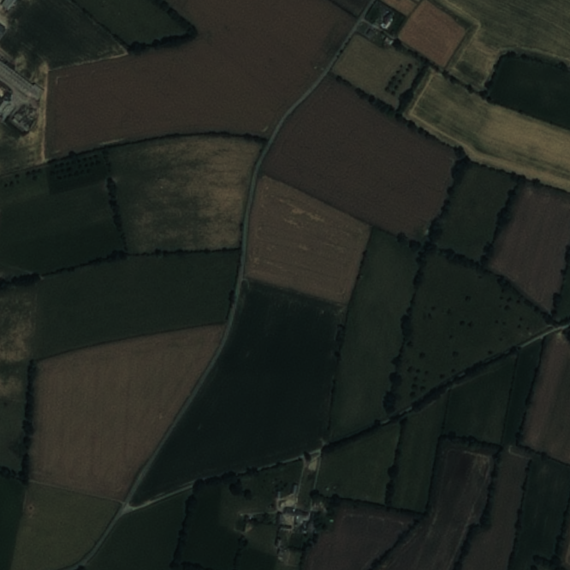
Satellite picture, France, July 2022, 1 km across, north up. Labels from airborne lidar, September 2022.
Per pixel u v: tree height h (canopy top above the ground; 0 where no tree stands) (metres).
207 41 0
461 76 0
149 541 0
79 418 0
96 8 0
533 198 0
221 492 0
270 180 0
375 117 0
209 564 0
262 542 0
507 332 0
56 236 0
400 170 0
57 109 0
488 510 10
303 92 0
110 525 0
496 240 6
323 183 0
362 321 0
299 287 0
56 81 0
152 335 0
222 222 0
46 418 0
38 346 0
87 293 0
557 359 0
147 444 0
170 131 0
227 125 0
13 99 0
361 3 0
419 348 0
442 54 0
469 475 0
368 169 0
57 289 0
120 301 0
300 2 0
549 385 0
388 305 0
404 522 0
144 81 0
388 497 12
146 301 0
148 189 0
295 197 0
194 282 0
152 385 0
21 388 0
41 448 0
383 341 0
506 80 0
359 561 0
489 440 0
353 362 0
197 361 0
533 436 0
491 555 0
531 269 0
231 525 0
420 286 8
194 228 0
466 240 0
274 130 0
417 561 0
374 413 0
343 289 0
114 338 0
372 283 0
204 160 0
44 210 0
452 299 0
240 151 0
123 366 0
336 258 0
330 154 0
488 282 0
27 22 0
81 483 0
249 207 0
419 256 11
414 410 13
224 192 0
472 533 15
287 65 0
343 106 0
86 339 0
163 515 0
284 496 0
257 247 0
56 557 0
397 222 0
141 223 0
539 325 0
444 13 0
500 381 0
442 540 0
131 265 0
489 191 0
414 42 0
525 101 0
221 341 0
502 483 0
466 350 0
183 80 0
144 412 0
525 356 0
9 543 0
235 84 0
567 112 0
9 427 0
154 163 0
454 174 18
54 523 0
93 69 0
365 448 0
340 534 0
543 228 0
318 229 0
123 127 0
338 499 14
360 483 0
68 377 0
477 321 0
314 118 0
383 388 0
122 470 0
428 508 9
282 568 0
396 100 0
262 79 0
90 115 0
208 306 0
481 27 0
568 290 0
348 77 0
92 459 0
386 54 0
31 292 0
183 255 10
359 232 0
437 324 0
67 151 0
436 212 0
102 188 0
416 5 0
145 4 0
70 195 0
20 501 0
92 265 9
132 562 0
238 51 0
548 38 0
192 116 0
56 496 0
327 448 9
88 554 0
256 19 0
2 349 0
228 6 0
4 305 0
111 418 0
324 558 0
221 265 0
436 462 8
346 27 0
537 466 0
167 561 0
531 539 0
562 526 10
